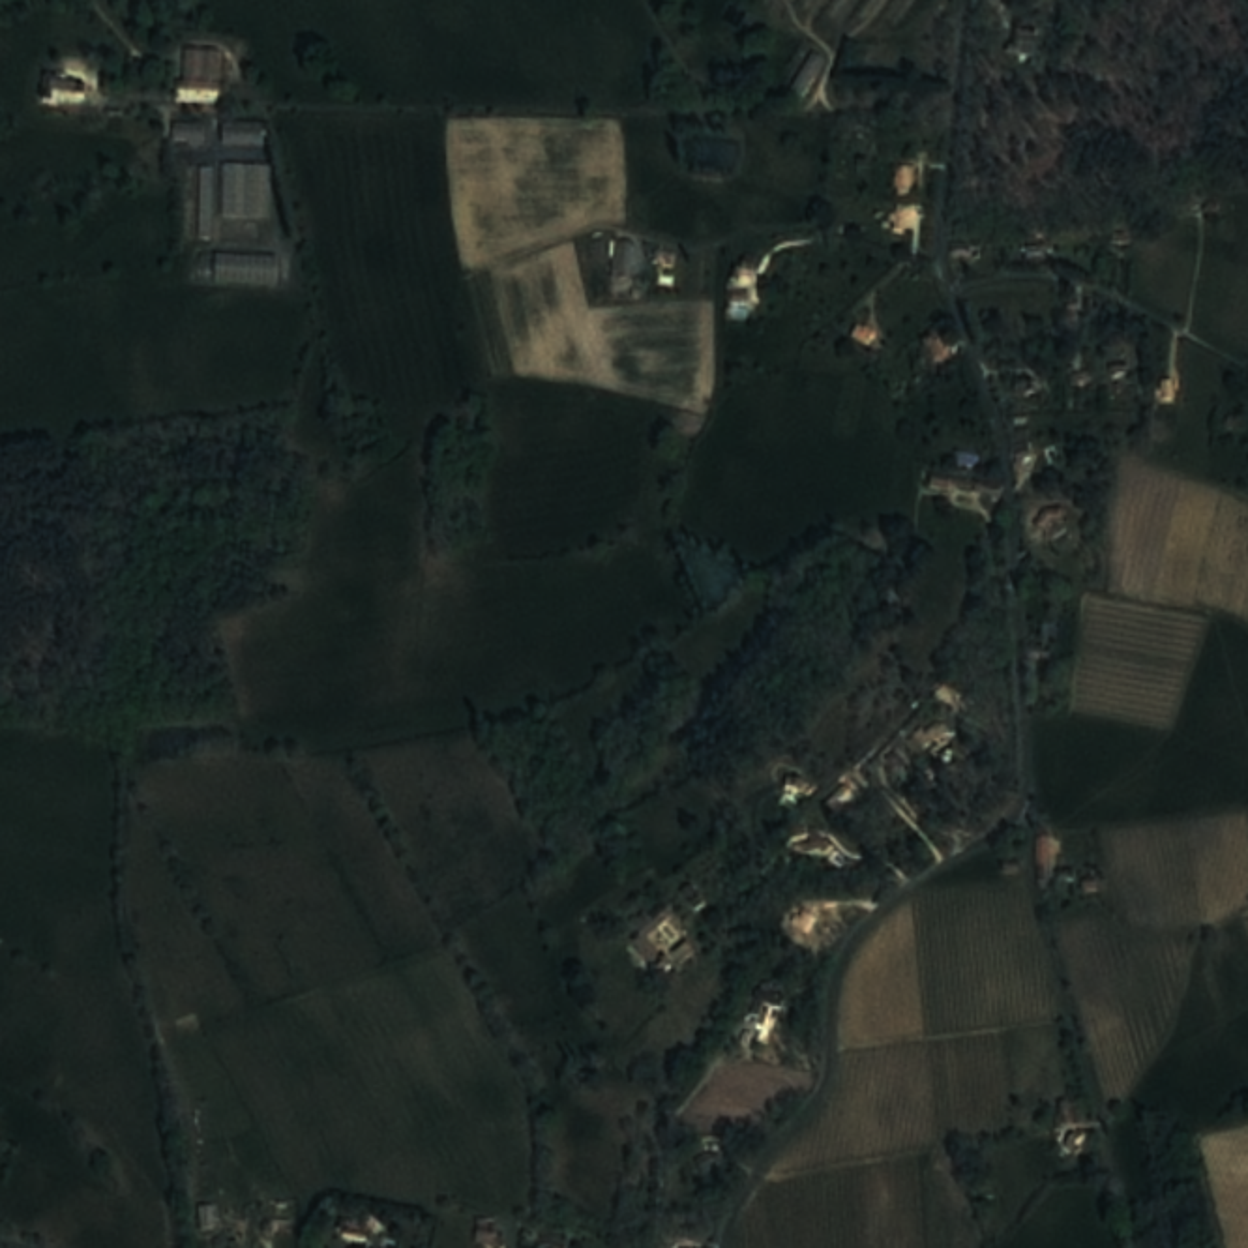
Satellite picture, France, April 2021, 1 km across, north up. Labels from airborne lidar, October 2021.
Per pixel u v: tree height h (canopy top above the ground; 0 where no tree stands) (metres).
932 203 8
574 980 15
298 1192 0
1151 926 0
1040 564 6
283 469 22
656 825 0
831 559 21
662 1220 18
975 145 7
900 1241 0
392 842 15
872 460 0
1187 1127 9
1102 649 0
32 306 0
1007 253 7
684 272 0
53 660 14
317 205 0
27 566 21
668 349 0
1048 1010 0
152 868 0
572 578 0
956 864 0
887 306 6
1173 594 0
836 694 17
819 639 20
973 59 11
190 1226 12
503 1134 0
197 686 24
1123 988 0
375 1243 7
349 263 0
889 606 15
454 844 0
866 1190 0
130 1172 0
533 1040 0
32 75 0
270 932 0
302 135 0
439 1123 0
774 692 23
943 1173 0
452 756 0
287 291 0
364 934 0
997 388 6
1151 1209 18
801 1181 0
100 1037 0
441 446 22
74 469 15
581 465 0
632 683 0
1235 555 0
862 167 9
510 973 0
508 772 17
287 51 0
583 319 0
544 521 0
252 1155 0
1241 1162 0
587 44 0
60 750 0
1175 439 0
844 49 7
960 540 0
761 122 19
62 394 0
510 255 0
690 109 19
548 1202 17
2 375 0
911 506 0
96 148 0
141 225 0
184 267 0
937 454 0
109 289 0
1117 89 9
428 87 0
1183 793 0
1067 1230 0
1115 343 18
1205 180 6
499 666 0
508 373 0
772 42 15
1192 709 0
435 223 0
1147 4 13
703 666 0
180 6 11
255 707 0
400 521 0
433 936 0
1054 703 23
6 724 18
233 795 0
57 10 15
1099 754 0
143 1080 0
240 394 0
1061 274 19
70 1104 0
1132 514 0
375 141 0
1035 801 9
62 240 0
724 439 0
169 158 12
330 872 0
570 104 0
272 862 0
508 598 0
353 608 0
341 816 0
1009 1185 0
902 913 0
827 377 0
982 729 19
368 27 0
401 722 0
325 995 0
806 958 17
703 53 0
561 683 0
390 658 0
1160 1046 0
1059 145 10
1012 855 16
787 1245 0
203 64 0
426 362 0
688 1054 18
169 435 14
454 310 0
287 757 11
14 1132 0
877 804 19
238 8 0
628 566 0
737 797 17
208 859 0
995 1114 0
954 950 0
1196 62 13
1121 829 0
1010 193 14
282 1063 0
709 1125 0
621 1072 0
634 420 0
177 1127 15
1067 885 10
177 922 0
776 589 18
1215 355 0
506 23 0
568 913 0
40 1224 0
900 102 18
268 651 0
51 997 0
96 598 19
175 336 0
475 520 21
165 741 0
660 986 17
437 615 0
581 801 19
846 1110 0
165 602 22
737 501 0
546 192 0
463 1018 0
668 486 16
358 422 7
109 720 23
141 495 11
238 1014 0
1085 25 16
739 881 12
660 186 0
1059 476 9
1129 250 7
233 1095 0
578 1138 0
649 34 0
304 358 7
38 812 0
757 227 0
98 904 0
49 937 0
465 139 0
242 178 0
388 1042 0
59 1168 0
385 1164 0
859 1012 0
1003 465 9
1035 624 9
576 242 0
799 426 0
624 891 0
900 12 0
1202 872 0
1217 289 0
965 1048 0
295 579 0
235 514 16
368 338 0
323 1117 0
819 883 14
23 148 0
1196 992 0
